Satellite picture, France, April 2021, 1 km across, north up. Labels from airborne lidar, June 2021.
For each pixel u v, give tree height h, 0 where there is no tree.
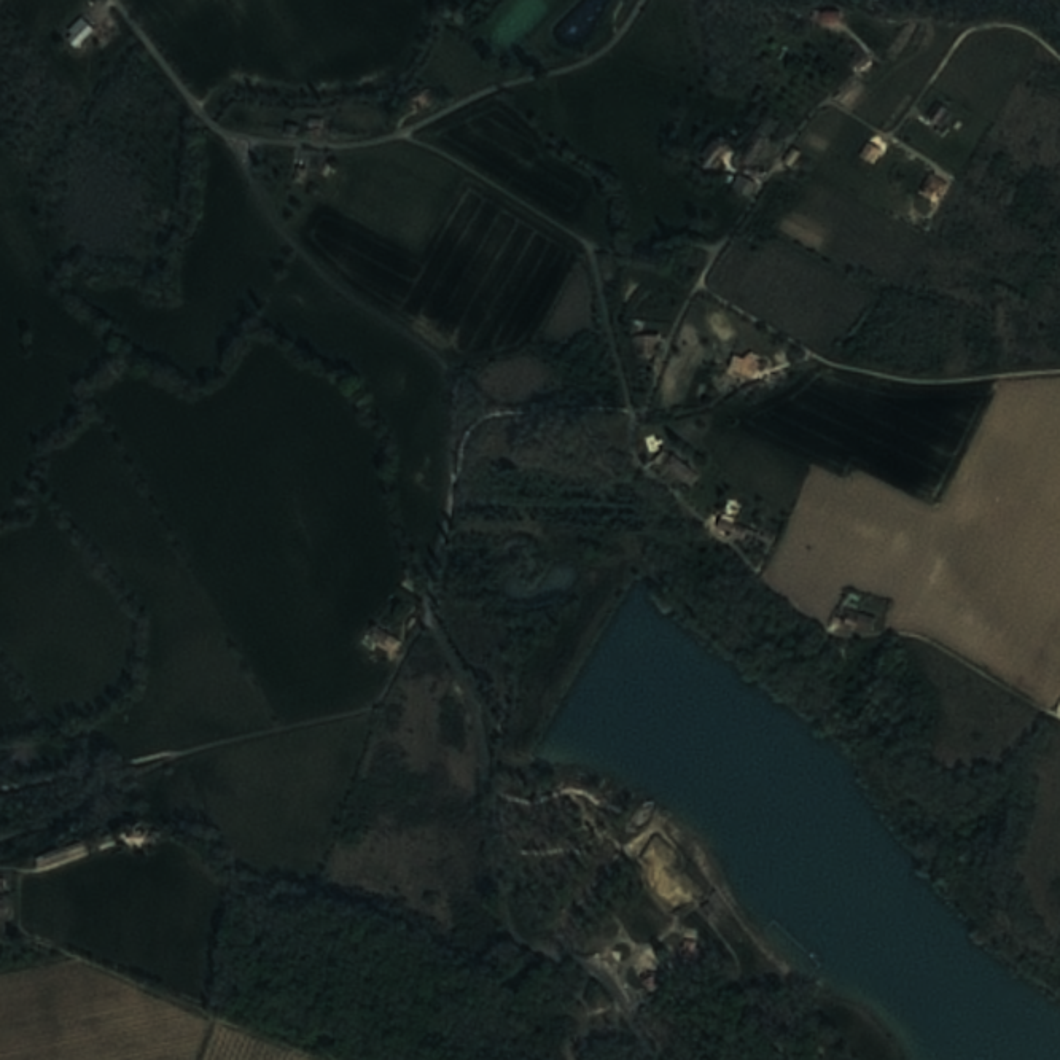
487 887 6
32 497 13
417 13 0
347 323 0
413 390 0
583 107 0
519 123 0
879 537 0
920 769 21
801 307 0
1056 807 0
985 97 0
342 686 0
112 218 14
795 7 19
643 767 0
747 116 10
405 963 17
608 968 0
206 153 14
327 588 0
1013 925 20
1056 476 0
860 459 0
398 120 16
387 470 19
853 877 0
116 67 9
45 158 6
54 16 0
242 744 0
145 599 0
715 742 0
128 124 8
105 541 0
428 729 0
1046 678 0
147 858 8
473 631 0
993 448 0
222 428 0
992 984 0
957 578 0
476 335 0
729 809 0
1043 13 22
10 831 14
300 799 0
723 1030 18
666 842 0
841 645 10
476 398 15
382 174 0
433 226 0
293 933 18
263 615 0
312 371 13
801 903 0
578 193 0
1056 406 0
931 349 11
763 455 0
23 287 0
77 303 18
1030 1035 0
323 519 0
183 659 0
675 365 0
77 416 17
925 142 0
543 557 11
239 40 0
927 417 0
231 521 0
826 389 0
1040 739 13
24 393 0
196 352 0
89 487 0
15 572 0
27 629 0
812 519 0
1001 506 0
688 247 10
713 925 0
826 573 0
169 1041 0
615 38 0
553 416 21
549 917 20
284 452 0
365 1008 21
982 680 0
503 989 17
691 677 0
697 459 7
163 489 0
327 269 0
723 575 15
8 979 0
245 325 22
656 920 0
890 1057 0
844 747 11
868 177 0
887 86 0
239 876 19
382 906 16
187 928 0
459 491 17
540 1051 12
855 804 0
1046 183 6
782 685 20
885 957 0
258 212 0
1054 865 0
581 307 0
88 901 0
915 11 20
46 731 21
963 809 27
